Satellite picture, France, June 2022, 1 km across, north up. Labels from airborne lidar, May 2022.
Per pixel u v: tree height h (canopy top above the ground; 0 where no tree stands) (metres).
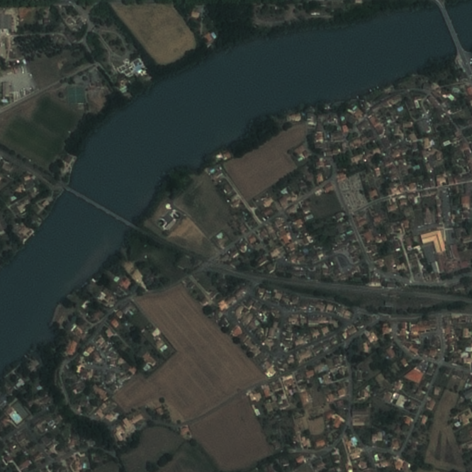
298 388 0
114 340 11
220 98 0
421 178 0
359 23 0
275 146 0
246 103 0
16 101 0
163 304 0
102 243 0
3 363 0
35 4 19
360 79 0
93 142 0
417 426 12
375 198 7
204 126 0
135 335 22
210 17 17
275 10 8
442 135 9
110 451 21
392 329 0
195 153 0
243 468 0
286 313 0
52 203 10
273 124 9
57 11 10
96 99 0
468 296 5
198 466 0
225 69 0
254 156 0
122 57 0
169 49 0
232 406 0
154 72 19
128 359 10
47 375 18
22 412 0
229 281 8
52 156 0
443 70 8
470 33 0
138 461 0
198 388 0
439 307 9
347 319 0
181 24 0
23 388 7
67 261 0
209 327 0
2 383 18
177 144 0
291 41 0
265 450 0
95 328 7
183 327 0
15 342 0
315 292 7
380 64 0
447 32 0
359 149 10
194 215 0
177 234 0
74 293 10
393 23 0
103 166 0
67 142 14
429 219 0
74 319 22
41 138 0
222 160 6
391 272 0
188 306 0
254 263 12
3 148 13
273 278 0
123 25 8
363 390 0
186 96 0
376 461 0
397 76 0
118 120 0
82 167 0
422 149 10
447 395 0
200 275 0
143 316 0
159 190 24
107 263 17
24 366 15
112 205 0
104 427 34
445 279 7
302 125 0
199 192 0
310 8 14
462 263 0
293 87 0
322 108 14
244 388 0
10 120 0
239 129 0
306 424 0
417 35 0
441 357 0
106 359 0
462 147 0
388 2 9
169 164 0
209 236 0
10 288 0
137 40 9
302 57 0
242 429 0
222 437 0
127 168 0
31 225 14
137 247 0
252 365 0
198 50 13
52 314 0
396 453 0
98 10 14
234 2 22
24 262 0
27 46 16
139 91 18
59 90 0
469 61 0
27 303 0
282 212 0
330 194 6
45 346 14
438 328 0
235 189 0
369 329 10
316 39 0
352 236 0
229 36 15
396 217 8
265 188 0
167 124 0
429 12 0
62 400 14
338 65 0
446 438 0
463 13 0
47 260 0
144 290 11
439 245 0
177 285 0
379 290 0
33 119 0
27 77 0
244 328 0
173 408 0
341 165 11
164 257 0
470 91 0
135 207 0
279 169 0
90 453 9
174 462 0
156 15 0
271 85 0
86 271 0
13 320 0
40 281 0
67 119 0
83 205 0
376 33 0
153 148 0
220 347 0
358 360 14
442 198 0
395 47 0
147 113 0
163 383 0
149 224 0
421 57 0
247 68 0
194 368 0
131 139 0
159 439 0
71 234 0
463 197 0
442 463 0
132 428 0
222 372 0
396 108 9
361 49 0
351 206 0
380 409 6
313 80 0
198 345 0
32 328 0
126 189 0
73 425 8
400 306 0
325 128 11
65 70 0
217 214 0
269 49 0
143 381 0
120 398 0
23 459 6
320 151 6
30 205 8
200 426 0
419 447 9
